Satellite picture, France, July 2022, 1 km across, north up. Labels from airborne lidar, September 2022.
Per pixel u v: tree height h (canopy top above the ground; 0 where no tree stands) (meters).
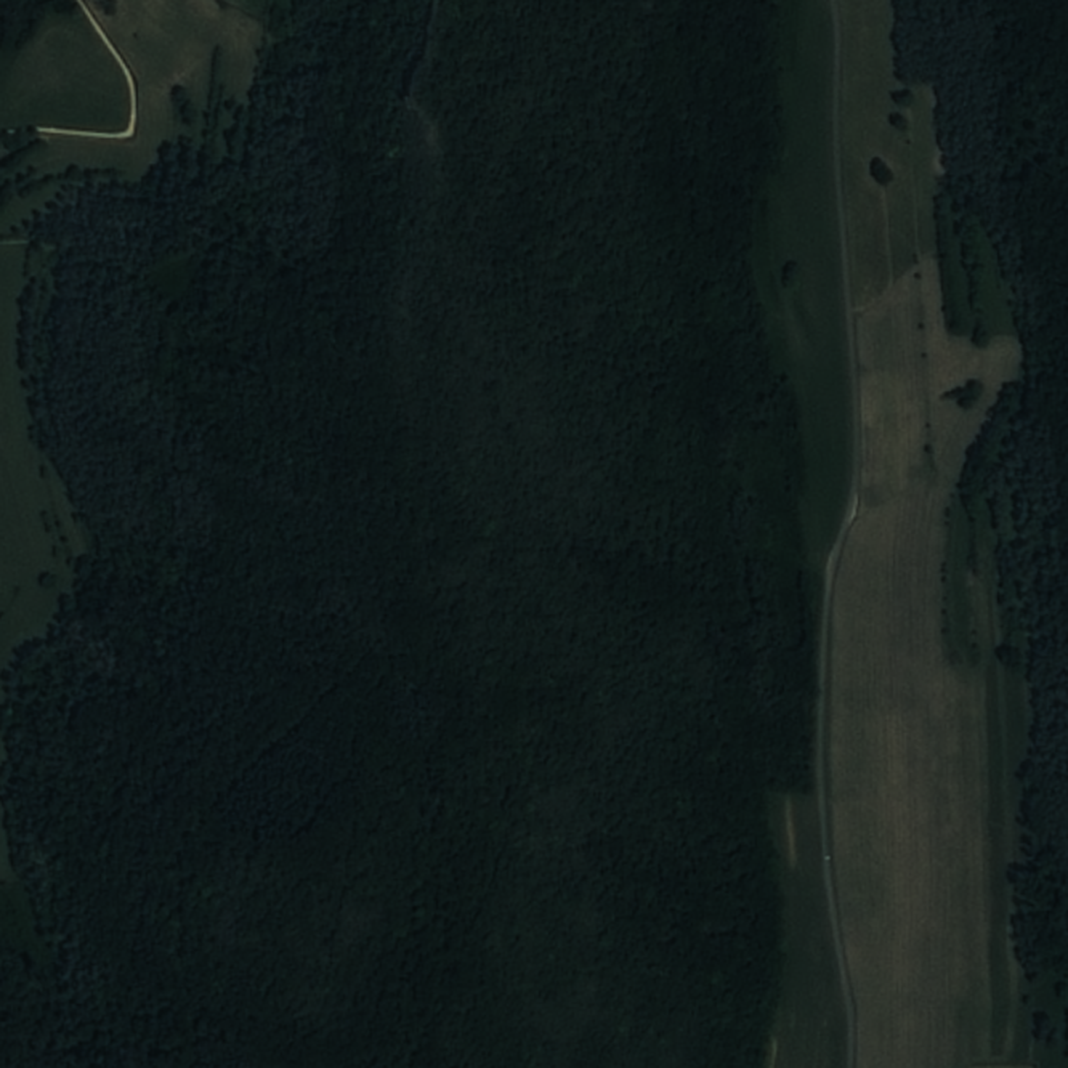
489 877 11
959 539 0
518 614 8
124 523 23
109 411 19
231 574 11
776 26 22
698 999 12
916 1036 0
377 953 6
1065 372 18
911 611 0
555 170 13
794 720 22
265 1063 15
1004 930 0
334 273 20
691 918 14
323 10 9
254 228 9
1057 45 20
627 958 12
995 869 0
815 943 0
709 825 15
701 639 8
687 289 12
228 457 15
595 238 7
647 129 12
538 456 7
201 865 18
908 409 0
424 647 15
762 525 16
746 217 16
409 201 12
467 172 9
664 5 20
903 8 21
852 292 0
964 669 0
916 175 0
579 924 8
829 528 0
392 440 17
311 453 9
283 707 19
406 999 18
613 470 9
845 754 0
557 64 11
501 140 7
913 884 0
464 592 11
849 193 0
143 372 22
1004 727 0
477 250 11
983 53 15
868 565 0
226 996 16
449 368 8
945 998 0
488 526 12
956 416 0
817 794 10
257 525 13
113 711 17
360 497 17
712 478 16
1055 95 19
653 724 11
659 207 16
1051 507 20
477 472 7
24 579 0
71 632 23
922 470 0
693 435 17
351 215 19
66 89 0
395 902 7
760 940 19
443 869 10
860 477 0
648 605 16
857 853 0
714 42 22
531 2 12
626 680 10
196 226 24
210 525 14
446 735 10
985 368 0
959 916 0
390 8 10
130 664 26
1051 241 17
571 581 7
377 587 15
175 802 20
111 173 10
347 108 8
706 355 12
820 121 0
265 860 9
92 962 17
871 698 0
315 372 16
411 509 15
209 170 21
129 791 16
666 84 16
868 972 0
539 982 6
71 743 19
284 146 18
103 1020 21
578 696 12
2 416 0
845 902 0
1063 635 21
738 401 22
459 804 15
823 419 0
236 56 0
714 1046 9
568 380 8
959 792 0
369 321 22
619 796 10
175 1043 19
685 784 10
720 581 15
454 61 8
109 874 15
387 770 11
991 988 0
